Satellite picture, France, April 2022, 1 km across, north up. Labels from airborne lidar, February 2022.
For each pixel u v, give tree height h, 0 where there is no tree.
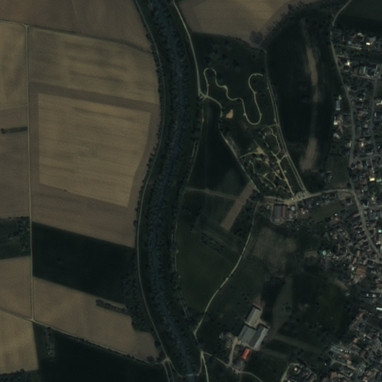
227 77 0
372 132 0
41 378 0
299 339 0
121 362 0
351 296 0
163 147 0
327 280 12
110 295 0
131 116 0
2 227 0
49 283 0
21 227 7
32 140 0
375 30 0
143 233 0
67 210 0
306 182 0
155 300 13
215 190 0
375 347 0
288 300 0
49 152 0
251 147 0
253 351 0
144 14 0
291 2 0
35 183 0
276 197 11
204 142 0
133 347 0
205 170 0
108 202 0
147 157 0
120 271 0
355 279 0
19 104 0
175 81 14
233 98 0
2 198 0
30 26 0
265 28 0
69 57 0
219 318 0
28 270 0
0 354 0
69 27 0
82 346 0
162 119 0
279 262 0
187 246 0
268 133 0
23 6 0
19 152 0
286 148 0
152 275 14
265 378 0
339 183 0
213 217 0
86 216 0
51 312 0
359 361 0
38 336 0
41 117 0
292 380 0
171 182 15
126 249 0
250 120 0
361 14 0
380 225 13
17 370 0
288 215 0
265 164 0
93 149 0
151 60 0
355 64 0
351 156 0
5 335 0
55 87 0
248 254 0
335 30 13
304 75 0
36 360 0
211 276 0
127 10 0
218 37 0
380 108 0
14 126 0
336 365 0
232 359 0
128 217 0
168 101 0
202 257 0
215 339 0
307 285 0
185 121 19
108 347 0
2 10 0
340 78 0
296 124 0
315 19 0
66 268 0
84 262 0
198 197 0
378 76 0
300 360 0
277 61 0
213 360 13
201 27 0
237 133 0
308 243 0
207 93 0
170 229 0
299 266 0
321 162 0
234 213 0
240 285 0
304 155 0
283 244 0
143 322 15
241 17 0
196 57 0
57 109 0
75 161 0
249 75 0
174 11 0
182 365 12
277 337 0
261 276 0
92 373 0
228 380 0
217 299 0
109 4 0
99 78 0
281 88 0
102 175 0
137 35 0
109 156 0
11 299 0
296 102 0
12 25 0
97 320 0
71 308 0
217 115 0
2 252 0
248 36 0
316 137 0
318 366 0
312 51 0
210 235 0
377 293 0
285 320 0
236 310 0
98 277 0
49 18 0
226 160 0
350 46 0
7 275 0
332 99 0
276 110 0
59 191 0
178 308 0
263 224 0
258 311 0
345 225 7
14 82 0
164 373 0
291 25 0
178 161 16
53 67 0
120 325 0
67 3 0
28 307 0
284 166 0
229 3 0
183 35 0
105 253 0
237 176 0
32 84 0
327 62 0
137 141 0
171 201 0
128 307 12
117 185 0
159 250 20
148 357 0
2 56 0
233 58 0
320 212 0
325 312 0
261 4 0
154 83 0
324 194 9
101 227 0
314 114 0
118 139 0
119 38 0
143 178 0
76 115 0
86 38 0
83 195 0
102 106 0
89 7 0
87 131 0
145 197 0
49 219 0
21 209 0
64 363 0
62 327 0
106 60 0
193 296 0
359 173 13
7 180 0
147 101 0
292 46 0
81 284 0
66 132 0
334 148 7
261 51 6
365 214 0
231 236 0
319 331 0
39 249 0
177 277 13
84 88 0
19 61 0
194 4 0
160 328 0
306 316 0
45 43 0
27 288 0
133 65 0
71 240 0
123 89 0
